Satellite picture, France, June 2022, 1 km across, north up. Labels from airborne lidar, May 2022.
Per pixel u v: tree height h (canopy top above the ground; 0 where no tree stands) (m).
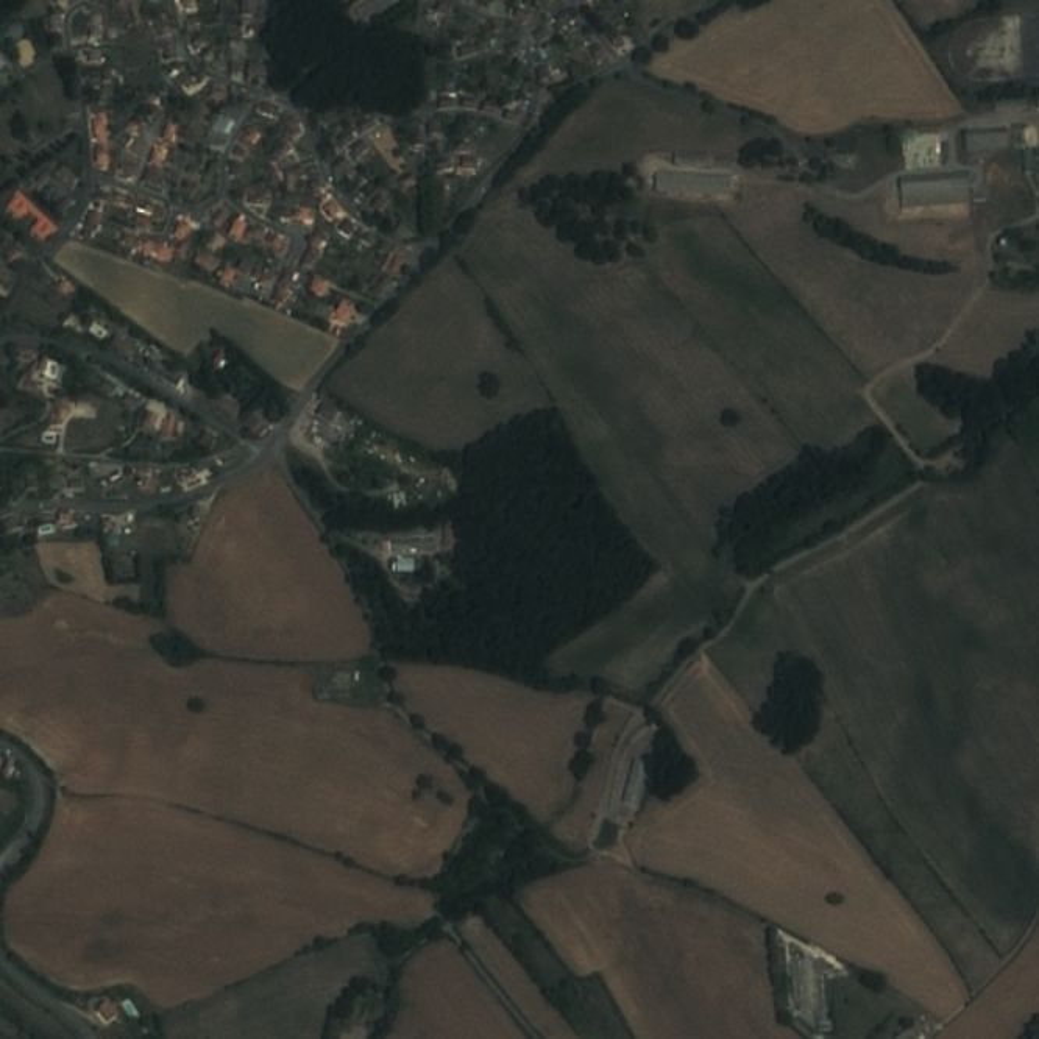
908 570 0
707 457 0
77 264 0
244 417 14
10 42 11
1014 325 0
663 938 0
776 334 0
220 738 0
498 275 0
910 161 0
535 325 0
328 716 0
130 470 9
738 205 0
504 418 0
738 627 0
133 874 0
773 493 13
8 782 6
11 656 0
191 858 0
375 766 0
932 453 6
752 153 13
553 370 0
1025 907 0
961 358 0
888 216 0
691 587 0
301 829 0
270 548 0
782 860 0
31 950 0
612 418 0
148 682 0
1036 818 0
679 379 0
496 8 0
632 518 0
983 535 0
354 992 15
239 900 0
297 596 0
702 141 0
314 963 0
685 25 18
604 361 0
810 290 0
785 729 15
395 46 22
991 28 0
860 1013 0
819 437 0
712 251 0
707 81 0
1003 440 0
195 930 0
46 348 8
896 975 0
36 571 0
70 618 0
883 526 0
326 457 0
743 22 0
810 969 0
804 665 18
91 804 0
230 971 0
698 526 0
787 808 0
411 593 0
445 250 17
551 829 0
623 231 11
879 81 0
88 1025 0
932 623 0
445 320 0
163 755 0
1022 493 0
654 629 0
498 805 16
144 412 7
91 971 0
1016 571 0
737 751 0
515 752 0
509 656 22
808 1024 0
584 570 21
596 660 0
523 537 17
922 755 0
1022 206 0
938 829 0
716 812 0
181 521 12
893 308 0
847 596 0
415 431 0
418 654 10
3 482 7
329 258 0
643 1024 0
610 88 0
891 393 0
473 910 7
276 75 19
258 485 0
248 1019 0
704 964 0
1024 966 0
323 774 0
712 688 0
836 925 0
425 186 12
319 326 7
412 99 19
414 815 0
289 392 0
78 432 0
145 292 0
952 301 0
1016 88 12
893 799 0
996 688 0
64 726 0
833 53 0
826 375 0
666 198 0
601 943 0
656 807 0
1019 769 0
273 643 0
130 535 0
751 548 9
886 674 0
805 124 0
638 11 0
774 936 13
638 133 0
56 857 0
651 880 0
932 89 0
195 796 0
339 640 0
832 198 0
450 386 0
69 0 0
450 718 0
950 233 0
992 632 0
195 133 0
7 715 0
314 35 21
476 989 0
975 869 0
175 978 0
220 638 0
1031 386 8
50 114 0
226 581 0
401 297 9
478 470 19
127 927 0
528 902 0
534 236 0
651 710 16
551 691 13
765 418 0
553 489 21
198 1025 0
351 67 23
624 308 0
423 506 9
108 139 0
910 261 13
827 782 0
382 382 0
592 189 13
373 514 14
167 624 0
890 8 0
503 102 12
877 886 0
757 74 0
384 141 0
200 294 0
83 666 0
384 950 12
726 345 0
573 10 8
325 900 0
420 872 0
